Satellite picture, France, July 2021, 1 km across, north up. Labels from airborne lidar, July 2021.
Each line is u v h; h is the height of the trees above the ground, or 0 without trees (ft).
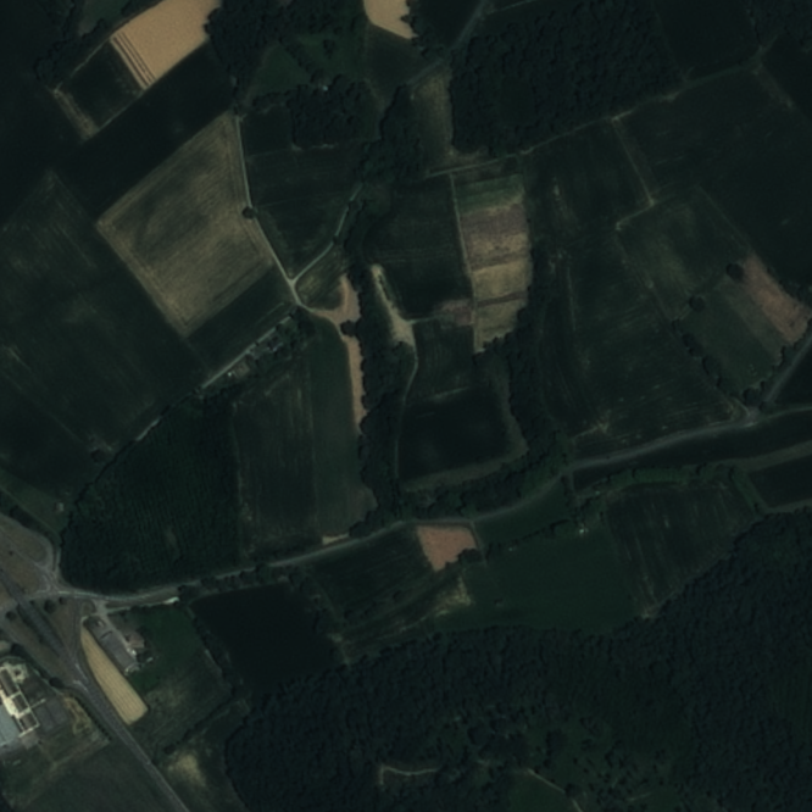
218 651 47
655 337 0
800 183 0
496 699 68
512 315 0
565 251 0
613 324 0
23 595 20
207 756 0
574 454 0
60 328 0
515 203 0
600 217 0
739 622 46
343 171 0
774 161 0
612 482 53
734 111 0
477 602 0
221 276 0
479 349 0
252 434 0
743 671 69
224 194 0
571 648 26
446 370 0
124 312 0
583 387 0
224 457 49
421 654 81
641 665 68
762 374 0
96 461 60
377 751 75
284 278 0
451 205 0
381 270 0
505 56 27
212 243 0
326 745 73
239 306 0
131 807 0
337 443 0
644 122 0
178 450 59
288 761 71
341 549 0
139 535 33
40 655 0
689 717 85
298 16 61
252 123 0
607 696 31
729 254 0
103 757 0
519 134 51
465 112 49
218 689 0
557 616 0
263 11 65
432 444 0
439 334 0
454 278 0
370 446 52
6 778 0
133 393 0
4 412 0
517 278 0
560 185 0
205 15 0
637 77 58
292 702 64
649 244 0
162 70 0
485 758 72
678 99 0
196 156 0
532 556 0
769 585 75
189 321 0
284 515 0
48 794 0
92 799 0
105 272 0
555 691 33
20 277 0
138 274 0
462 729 55
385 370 57
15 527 0
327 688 77
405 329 0
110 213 0
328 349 0
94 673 0
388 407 65
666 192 0
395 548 0
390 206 0
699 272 0
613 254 0
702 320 0
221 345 0
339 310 0
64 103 0
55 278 0
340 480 0
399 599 41
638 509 0
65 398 0
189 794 0
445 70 0
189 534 24
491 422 0
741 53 0
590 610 0
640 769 74
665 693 19
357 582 0
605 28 72
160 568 46
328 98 45
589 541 0
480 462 29
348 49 0
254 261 0
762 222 0
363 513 0
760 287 0
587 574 0
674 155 0
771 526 46
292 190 0
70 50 74
